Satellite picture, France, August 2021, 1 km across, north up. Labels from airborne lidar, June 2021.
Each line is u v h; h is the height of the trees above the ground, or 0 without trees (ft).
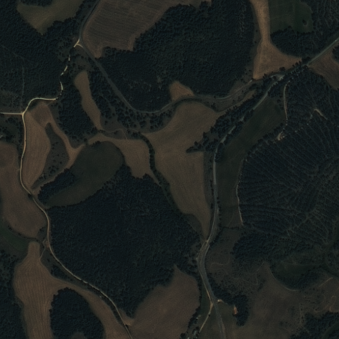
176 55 45
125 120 48
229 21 38
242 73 35
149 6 0
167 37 21
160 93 39
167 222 35
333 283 0
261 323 0
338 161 27
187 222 23
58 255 32
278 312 0
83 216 26
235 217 0
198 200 0
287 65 0
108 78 26
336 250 42
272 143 36
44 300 0
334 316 30
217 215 0
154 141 0
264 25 0
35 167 0
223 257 0
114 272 34
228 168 0
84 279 39
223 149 32
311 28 0
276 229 41
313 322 41
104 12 0
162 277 56
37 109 0
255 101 36
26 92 31
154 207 27
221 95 37
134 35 0
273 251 24
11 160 0
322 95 39
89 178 0
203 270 0
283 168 36
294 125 39
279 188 36
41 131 0
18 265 0
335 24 52
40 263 0
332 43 0
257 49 0
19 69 34
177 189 0
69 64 26
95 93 45
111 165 0
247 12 33
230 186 0
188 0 0
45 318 0
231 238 0
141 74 30
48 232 0
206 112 0
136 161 0
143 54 35
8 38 31
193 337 0
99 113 0
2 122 0
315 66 0
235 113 40
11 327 27
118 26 0
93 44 0
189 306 0
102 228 38
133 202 25
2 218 0
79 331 22
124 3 0
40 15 0
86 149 0
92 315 67
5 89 36
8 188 0
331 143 37
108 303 40
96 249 27
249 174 35
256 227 40
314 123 33
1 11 48
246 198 31
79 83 0
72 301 49
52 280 0
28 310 0
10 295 46
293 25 0
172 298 0
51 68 48
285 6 0
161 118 36
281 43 53
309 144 31
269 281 0
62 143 0
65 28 43
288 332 0
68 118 52
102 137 0
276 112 0
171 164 0
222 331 0
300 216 29
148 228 30
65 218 24
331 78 0
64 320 49
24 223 0
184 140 0
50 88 37
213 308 0
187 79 34
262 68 0
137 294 34
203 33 26
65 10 0
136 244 28
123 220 30
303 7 0
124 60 29
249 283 0
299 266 0
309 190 39
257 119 0
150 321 0
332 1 27
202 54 38
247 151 0
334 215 32
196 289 0
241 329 0
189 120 0
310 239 37
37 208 0
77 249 28
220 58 31
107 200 31
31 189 0
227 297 30
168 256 41
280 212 37
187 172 0
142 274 52
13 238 0
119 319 32
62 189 32
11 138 30
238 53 30
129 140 0
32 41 45
